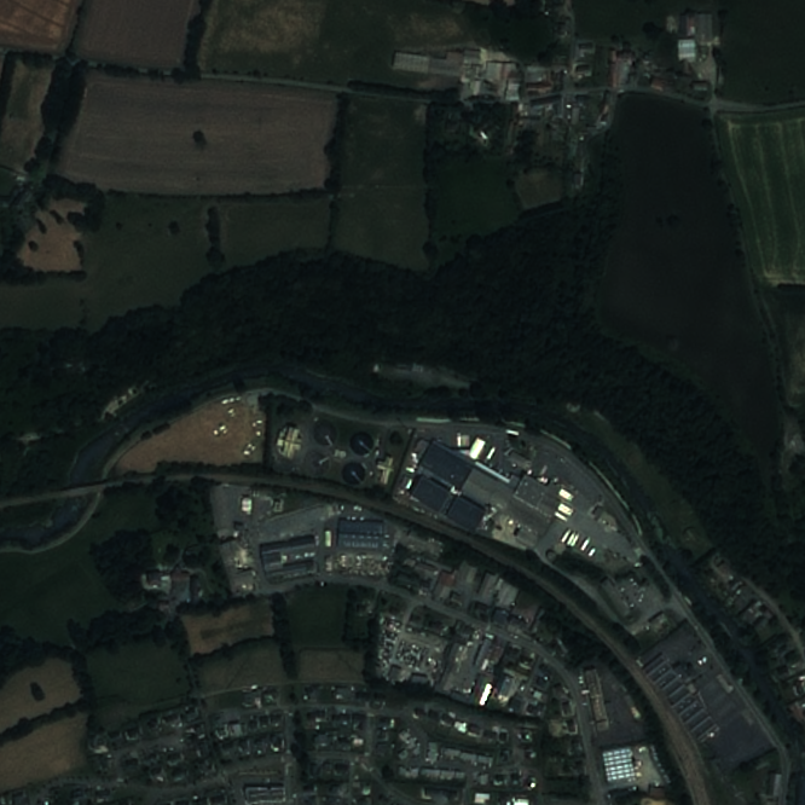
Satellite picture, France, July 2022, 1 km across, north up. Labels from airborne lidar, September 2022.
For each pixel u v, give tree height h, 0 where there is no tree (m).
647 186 0
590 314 7
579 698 0
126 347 21
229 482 0
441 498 0
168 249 0
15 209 10
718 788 0
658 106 0
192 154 0
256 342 24
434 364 22
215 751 7
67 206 0
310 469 0
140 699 0
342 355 6
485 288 21
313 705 0
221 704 0
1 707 0
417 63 0
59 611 0
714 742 0
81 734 0
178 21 0
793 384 0
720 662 0
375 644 14
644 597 0
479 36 0
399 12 0
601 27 0
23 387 7
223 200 6
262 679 0
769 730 0
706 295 0
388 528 0
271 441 6
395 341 17
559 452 0
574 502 0
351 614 11
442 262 0
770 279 0
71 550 0
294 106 0
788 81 0
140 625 18
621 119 0
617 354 22
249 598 10
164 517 21
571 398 24
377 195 0
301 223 0
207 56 0
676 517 0
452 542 12
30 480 10
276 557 0
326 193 12
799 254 0
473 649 0
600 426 0
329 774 0
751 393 0
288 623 20
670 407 25
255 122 0
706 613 15
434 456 0
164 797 0
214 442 0
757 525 15
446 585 0
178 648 10
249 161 0
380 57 0
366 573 0
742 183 0
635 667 0
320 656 0
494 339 31
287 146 0
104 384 17
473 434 0
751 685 9
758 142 0
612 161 6
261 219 0
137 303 0
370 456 0
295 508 0
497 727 0
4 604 0
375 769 0
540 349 16
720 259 0
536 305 32
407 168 0
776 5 0
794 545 10
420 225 0
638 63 8
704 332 0
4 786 0
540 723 8
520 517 0
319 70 0
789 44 0
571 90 0
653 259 0
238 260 0
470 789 0
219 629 0
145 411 0
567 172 12
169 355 25
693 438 28
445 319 24
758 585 10
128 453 0
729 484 26
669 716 0
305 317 23
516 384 26
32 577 0
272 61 0
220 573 14
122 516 0
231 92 0
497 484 0
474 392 15
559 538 0
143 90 0
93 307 0
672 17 0
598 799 0
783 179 0
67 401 10
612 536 0
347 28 0
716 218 0
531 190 0
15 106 0
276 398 9
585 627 9
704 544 0
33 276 18
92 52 0
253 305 22
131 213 0
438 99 11
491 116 12
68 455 0
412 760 0
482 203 0
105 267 0
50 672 0
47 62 13
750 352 0
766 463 0
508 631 0
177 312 14
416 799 0
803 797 0
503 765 0
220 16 0
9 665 19
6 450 16
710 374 0
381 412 13
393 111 0
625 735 0
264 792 0
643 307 0
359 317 24
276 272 17
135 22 0
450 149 10
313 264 16
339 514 0
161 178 0
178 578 0
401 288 16
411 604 0
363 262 10
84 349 22
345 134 8
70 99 20
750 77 0
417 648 0
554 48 10
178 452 0
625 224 0
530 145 13
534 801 0
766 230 0
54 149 8
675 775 11
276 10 0
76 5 0
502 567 9
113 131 0
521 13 15
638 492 0
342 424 0
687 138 0
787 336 0
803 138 0
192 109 0
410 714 0
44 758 0
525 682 0
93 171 0
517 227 7
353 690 0
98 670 0
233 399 0
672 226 15
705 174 0
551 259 22
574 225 18
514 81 0
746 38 0
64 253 0
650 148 0
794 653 7
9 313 0
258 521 0
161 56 0
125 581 22
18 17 0
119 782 0
